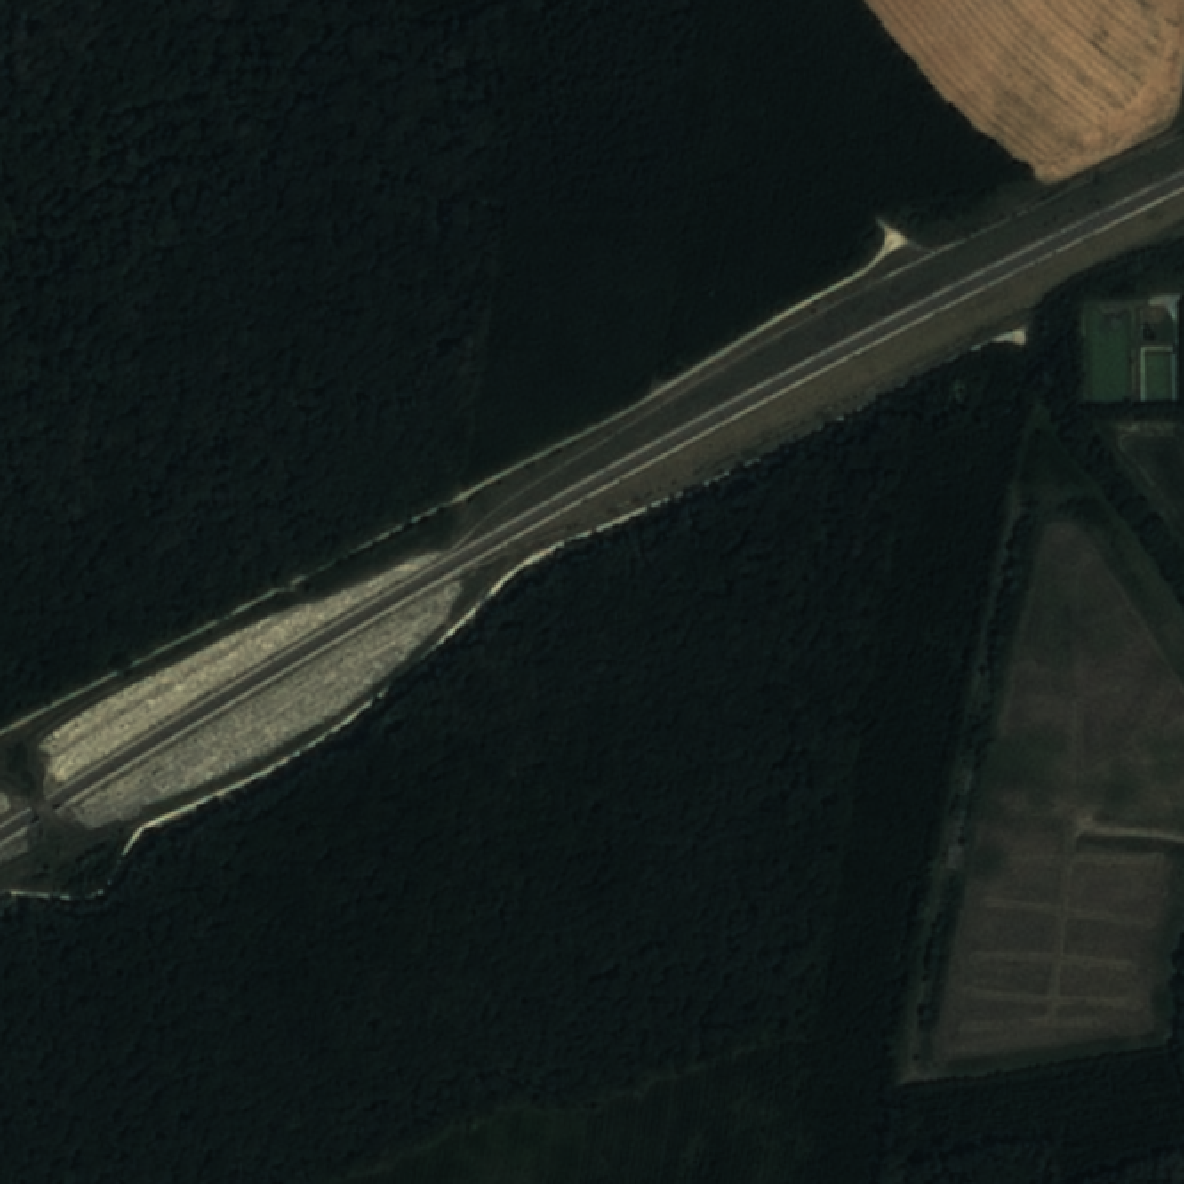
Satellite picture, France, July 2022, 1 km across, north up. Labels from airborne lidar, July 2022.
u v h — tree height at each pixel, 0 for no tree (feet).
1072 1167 24
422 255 83
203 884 79
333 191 79
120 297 82
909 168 40
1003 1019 0
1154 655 0
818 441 32
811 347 0
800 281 35
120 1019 84
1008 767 0
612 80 70
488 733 71
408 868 75
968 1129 22
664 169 68
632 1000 79
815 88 31
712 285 31
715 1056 37
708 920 85
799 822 64
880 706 24
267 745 0
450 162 99
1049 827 0
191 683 0
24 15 81
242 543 80
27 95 87
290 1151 94
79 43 90
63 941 83
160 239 82
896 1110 67
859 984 22
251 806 85
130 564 70
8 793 0
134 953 92
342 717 0
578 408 53
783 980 103
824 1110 19
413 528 39
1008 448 28
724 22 36
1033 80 0
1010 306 0
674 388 0
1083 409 41
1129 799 0
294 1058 82
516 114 47
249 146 79
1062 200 0
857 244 26
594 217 56
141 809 0
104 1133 89
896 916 26
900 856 28
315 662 0
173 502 85
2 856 0
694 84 52
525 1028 91
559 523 0
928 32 0
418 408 85
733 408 0
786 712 72
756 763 75
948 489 31
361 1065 79
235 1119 88
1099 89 0
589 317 56
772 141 32
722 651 80
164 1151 89
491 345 54
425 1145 92
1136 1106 24
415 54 67
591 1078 93
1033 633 0
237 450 91
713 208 30
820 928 79
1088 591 0
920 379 28
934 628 21
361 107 88
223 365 86
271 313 77
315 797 94
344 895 83
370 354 85
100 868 22
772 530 86
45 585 76
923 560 31
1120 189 0
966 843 22
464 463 71
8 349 92
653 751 65
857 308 0
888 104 39
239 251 87
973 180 33
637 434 0
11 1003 99
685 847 69
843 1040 23
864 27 39
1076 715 0
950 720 29
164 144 87
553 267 52
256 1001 82
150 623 71
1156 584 0
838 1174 28
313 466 89
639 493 0
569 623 76
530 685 85
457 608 0
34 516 80
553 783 85
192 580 73
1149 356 0
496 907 70
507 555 0
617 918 85
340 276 83
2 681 67
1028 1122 19
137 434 65
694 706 77
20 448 79
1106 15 0
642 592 78
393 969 65
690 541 80
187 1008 72
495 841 71
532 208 59
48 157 89
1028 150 0
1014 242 0
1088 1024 0
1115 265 20
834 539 91
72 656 72
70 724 0
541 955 86
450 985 77
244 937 84
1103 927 0
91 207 86
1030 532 19
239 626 0
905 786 35
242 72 66
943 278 0
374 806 76
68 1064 83
